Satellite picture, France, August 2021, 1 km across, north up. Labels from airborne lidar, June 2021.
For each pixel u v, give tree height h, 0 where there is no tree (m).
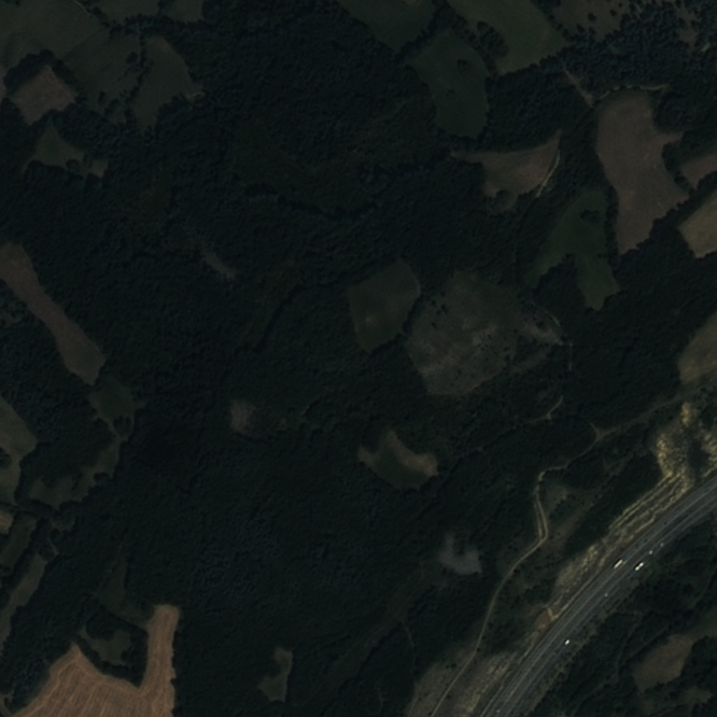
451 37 0
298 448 16
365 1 0
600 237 0
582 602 0
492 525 10
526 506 8
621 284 17
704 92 16
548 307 16
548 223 12
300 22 19
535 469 16
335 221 18
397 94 15
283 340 10
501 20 0
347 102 17
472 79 0
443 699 0
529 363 0
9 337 8
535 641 0
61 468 17
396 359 20
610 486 7
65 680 0
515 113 14
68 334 0
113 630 10
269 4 8
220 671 13
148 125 0
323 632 15
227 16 16
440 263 17
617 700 8
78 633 12
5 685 9
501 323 0
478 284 0
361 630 12
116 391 0
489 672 0
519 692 0
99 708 0
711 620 0
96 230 20
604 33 0
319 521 14
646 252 20
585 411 17
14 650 17
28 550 6
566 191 10
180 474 13
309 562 16
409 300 0
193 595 15
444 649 12
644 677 0
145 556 17
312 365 5
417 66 0
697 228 0
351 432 15
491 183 0
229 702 14
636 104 0
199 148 11
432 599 13
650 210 0
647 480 8
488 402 14
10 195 20
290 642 14
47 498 0
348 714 6
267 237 19
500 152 10
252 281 17
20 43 0
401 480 0
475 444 9
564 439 9
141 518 18
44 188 18
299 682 14
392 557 18
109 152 12
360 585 17
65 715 0
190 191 14
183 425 9
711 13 16
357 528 18
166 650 0
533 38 0
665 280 17
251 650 15
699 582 0
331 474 16
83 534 16
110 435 15
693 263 17
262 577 16
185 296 18
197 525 15
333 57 22
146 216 0
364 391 13
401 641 11
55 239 19
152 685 0
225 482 17
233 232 17
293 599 14
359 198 0
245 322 15
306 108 21
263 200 21
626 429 17
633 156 0
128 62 7
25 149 20
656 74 15
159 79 0
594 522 5
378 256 13
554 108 13
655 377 14
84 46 0
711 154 0
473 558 0
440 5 13
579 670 10
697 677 13
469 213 13
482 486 16
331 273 15
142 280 15
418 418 17
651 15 17
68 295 11
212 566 17
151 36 11
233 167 13
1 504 6
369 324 0
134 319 14
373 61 17
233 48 21
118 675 14
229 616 14
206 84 21
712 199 0
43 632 15
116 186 17
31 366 8
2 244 9
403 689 13
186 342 14
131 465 16
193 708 15
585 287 0
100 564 18
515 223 14
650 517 0
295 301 14
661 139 0
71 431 18
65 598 16
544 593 7
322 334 9
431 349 0
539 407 11
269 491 11
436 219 19
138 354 11
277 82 26
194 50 23
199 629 12
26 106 0
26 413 19
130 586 14
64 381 8
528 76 11
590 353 8
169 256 14
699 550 16
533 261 12
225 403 16
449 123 0
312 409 12
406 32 0
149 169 18
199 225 20
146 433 18
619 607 8
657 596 11
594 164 15
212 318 17
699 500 0
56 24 0
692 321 11
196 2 0
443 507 13
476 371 0
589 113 10
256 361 17
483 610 6
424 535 13
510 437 15
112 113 9
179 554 13
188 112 16
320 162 15
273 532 13
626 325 7
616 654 8
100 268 17
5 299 17
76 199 18
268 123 20
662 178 0
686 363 0
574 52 10
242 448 16
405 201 19
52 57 16
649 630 8
